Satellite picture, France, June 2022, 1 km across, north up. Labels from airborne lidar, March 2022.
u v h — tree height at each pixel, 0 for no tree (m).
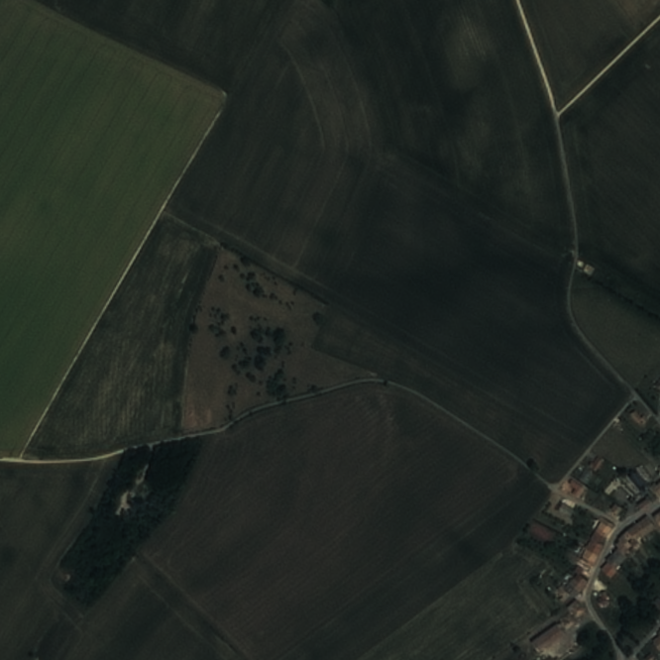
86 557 6
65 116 0
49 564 0
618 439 0
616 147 0
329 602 0
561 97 0
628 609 22
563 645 0
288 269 0
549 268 0
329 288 0
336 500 0
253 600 0
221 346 0
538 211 0
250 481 0
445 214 0
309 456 0
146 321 0
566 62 0
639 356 0
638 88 0
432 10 0
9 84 0
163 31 0
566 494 0
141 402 0
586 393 0
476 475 0
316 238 0
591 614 0
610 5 0
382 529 0
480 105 0
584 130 0
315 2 0
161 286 0
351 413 0
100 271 0
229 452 0
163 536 0
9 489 0
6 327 0
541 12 0
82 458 0
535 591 0
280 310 0
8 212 0
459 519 0
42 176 0
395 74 0
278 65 0
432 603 0
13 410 0
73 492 0
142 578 0
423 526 0
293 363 0
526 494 0
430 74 0
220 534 0
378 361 0
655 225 0
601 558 0
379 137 0
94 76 0
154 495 13
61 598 0
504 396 0
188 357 0
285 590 0
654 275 0
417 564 0
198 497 0
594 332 0
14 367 0
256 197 0
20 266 0
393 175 0
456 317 0
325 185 0
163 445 11
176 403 0
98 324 0
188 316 0
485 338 0
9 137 0
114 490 14
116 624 0
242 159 0
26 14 0
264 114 0
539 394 0
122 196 0
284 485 0
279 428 0
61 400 0
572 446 0
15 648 0
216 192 0
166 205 0
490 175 0
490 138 0
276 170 0
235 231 0
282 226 0
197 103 0
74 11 0
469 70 0
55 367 0
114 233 0
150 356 0
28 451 0
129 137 0
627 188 0
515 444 0
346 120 0
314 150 0
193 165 0
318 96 0
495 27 0
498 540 0
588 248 0
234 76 0
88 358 0
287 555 0
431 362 0
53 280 0
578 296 0
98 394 0
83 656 0
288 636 0
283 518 0
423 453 0
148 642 0
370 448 0
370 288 0
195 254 0
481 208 0
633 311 0
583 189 0
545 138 0
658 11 0
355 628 0
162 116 0
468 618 0
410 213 0
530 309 0
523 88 0
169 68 0
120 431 0
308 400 0
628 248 0
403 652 0
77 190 0
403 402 0
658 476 0
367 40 0
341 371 0
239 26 0
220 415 0
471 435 0
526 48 0
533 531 0
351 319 0
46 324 0
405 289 0
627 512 0
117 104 0
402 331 0
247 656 0
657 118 0
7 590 0
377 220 0
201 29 0
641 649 0
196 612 0
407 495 0
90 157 0
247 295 0
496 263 0
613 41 0
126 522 12
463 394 0
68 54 0
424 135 0
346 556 0
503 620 0
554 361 0
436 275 0
